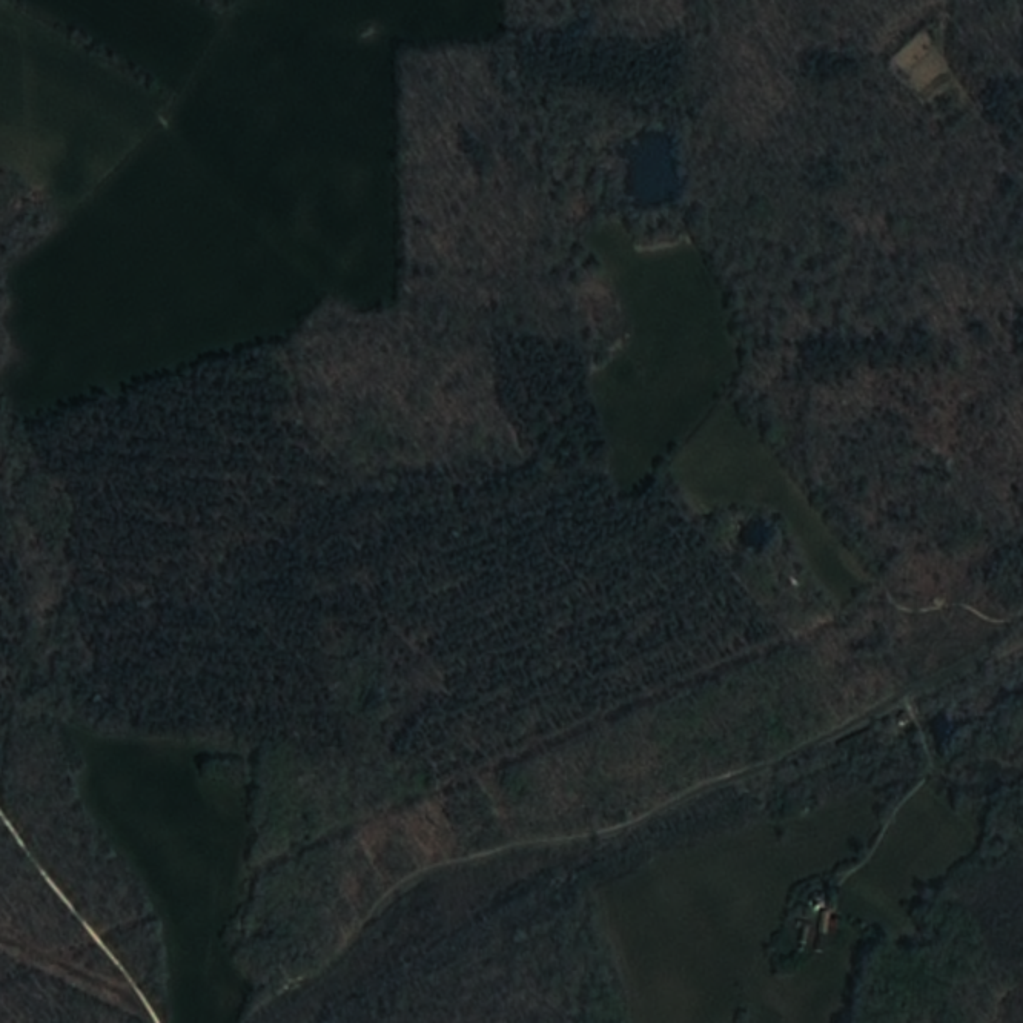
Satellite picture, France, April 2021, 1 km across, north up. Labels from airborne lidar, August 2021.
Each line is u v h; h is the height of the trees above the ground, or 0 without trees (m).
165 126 0
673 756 21
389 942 18
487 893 9
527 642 19
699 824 19
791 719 25
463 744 15
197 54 0
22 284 0
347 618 19
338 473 19
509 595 15
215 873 0
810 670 22
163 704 20
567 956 24
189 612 15
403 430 15
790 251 13
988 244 15
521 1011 16
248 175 0
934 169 11
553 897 22
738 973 0
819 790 16
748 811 19
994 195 12
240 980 0
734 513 15
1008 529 17
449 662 18
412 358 13
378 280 0
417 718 8
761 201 20
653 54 16
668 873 0
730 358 0
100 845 13
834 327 10
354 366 13
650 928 0
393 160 14
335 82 0
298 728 19
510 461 14
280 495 19
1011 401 10
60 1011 18
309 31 0
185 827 0
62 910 13
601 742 21
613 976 13
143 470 20
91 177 0
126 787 0
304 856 23
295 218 0
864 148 18
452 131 18
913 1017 8
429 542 20
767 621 19
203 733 19
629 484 0
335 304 10
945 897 23
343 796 21
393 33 0
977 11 19
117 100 0
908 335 9
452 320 18
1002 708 20
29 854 11
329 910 18
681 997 0
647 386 0
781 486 0
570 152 16
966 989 19
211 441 18
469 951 18
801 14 13
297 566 20
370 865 16
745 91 15
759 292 18
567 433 17
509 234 12
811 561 0
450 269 15
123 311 0
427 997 16
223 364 18
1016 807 23
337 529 18
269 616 17
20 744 18
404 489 13
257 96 0
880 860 0
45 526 21
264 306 0
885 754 9
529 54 16
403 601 17
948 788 12
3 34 0
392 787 17
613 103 12
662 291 0
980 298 10
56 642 20
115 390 0
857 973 15
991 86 15
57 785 17
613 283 0
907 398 9
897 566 19
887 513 7
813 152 15
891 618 17
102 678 21
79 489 20
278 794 23
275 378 14
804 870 0
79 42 11
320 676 19
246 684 16
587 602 17
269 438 17
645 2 13
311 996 16
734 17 17
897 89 14
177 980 0
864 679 18
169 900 0
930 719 8
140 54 0
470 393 12
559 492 13
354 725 20
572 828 15
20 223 10
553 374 18
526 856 10
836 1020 0
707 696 24
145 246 0
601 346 10
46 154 0
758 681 19
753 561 22
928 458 14
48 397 0
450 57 17
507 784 23
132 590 19
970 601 8
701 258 9
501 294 18
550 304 16
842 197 16
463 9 0
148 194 0
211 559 19
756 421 16
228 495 19
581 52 18
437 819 18
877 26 17
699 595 19
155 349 0
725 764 16
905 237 12
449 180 17
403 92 20
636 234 21
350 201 0
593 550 19
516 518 16
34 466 14
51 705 19
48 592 19
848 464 12
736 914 0
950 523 18
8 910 14
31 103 0
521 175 15
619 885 0
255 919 25
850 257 15
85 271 0
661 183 0
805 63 12
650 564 19
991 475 12
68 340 0
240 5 0
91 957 16
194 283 0
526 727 18
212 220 0
